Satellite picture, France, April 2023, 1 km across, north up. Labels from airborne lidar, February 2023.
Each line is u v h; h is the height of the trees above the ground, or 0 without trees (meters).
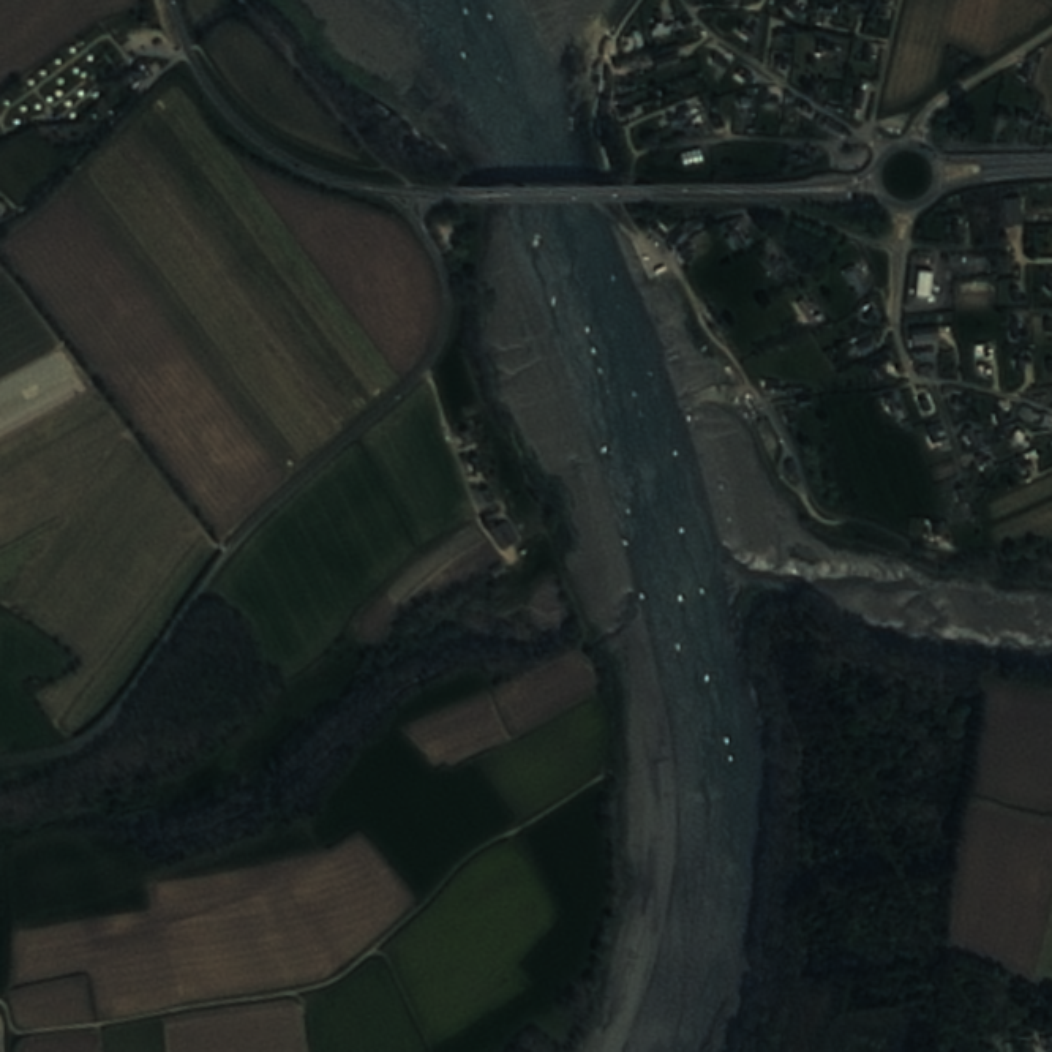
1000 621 0
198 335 0
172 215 0
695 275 0
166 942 0
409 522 0
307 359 0
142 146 0
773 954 15
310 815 17
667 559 0
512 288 0
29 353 0
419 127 0
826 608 17
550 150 0
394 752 0
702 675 0
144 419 0
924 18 0
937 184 0
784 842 14
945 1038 11
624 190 0
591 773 0
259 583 0
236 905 0
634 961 0
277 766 21
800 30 5
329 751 21
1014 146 0
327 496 0
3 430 0
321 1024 0
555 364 0
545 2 0
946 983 12
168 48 0
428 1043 0
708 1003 0
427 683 14
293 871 0
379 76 0
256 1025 0
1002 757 0
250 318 0
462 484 0
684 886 0
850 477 0
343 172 0
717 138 0
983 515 0
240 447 0
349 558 0
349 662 0
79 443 0
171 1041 0
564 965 0
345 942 0
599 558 0
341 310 0
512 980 0
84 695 0
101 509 0
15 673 0
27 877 0
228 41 0
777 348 11
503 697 0
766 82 0
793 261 11
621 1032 0
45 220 0
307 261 0
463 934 0
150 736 19
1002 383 0
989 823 0
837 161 0
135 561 0
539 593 0
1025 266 0
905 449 0
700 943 0
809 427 0
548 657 15
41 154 0
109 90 10
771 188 0
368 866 0
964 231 0
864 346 0
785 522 0
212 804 23
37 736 0
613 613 0
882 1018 14
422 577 0
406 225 0
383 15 0
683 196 0
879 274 0
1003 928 0
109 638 0
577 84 0
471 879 0
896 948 9
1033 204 0
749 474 0
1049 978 0
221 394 0
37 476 0
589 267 0
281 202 0
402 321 0
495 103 0
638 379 0
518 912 0
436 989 0
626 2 0
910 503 0
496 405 12
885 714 9
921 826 7
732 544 0
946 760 9
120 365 0
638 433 0
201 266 0
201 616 15
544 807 0
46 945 0
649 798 0
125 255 0
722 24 0
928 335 0
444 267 10
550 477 0
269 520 0
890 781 11
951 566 18
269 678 17
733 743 0
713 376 0
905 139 0
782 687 24
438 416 0
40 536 0
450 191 0
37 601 0
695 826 0
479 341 18
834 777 7
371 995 0
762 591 0
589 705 0
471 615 10
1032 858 0
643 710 0
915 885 8
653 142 8
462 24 0
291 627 0
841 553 0
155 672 15
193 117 0
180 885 0
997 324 0
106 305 0
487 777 0
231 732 19
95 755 18
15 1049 0
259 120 0
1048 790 0
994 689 0
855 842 9
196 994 0
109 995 0
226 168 0
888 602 0
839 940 7
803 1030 17
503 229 0
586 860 0
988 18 0
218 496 0
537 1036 16
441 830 0
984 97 0
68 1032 0
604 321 0
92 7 0
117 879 0
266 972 0
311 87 13
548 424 0
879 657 19
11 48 0
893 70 0
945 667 18
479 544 0
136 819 0
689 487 0
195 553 0
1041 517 0
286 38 13
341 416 0
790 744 12
